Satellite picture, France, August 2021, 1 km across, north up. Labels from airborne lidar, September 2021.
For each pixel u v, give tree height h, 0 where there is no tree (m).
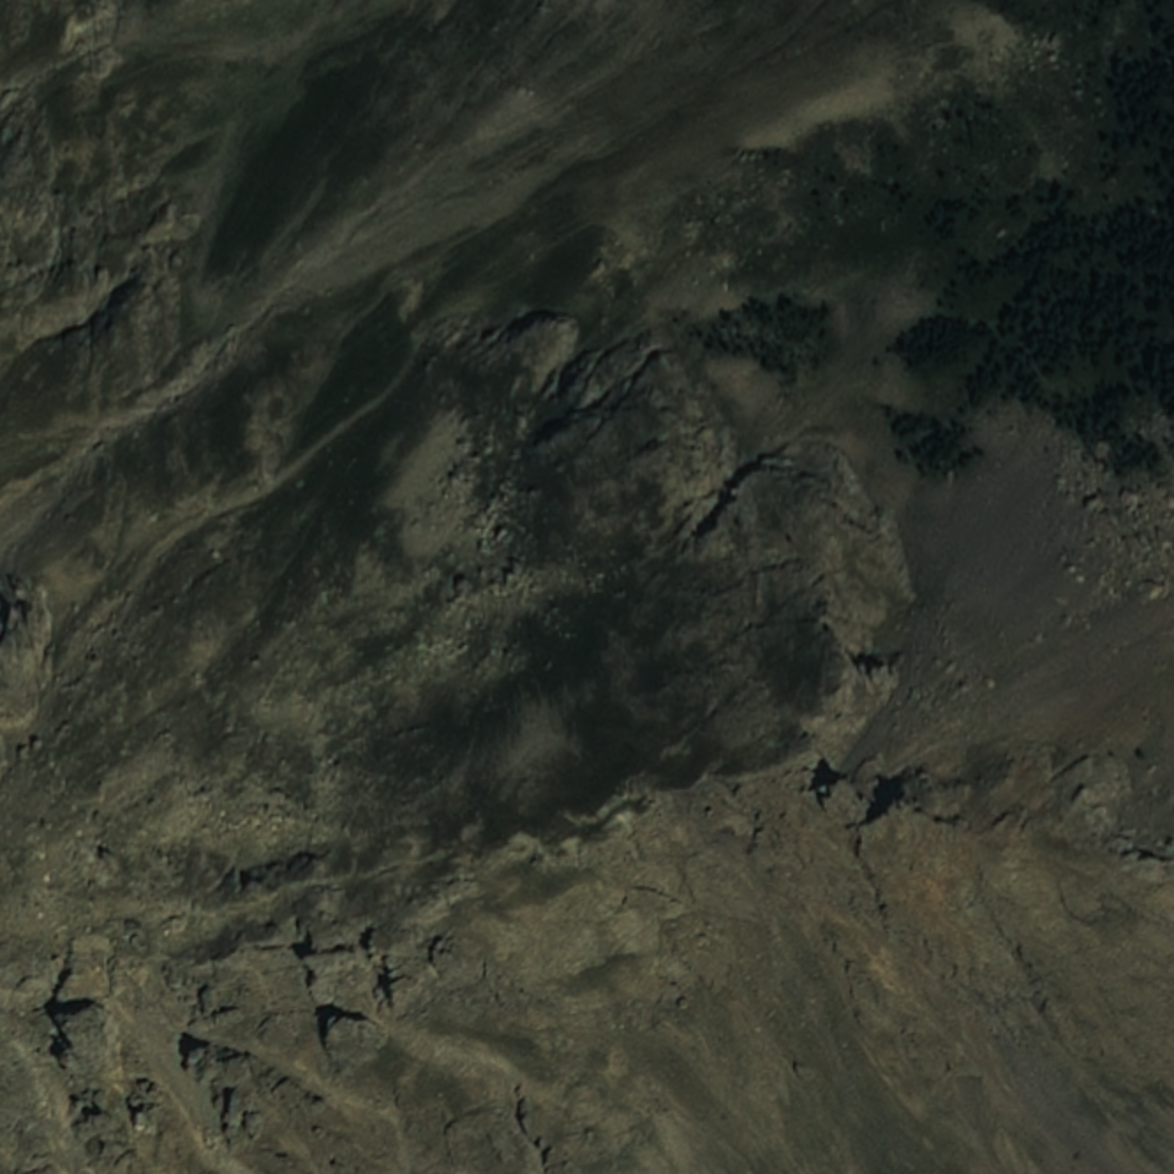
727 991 0
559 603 0
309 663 0
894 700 0
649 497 0
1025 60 0
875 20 0
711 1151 0
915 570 0
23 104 0
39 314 0
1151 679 0
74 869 0
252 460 0
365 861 0
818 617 0
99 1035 0
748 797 0
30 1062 0
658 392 0
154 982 0
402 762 0
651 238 0
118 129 0
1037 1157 0
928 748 0
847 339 0
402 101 0
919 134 0
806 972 0
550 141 0
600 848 0
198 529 0
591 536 0
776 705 0
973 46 0
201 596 0
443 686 0
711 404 0
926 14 0
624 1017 0
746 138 0
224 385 0
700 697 0
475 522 0
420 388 0
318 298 0
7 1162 0
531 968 0
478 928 0
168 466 0
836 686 0
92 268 0
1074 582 0
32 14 0
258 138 0
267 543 0
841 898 0
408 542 0
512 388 0
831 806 0
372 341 0
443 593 0
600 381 0
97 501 0
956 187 0
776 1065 0
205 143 0
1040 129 0
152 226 0
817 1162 0
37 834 0
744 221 0
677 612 0
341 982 0
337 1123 0
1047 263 13
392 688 0
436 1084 0
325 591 0
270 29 0
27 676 0
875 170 0
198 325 0
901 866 0
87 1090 0
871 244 0
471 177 0
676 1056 0
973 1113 0
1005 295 0
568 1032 0
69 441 0
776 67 0
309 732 0
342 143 0
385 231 0
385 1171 0
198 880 0
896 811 0
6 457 0
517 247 0
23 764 0
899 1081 0
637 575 0
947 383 0
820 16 0
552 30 0
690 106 0
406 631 0
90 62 0
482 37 0
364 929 0
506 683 0
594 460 0
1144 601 0
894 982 0
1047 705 0
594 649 0
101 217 0
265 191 0
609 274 0
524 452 0
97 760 0
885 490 0
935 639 0
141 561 0
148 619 0
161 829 0
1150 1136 0
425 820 0
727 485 0
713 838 0
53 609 0
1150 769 0
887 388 0
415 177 0
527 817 0
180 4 0
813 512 0
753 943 0
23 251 0
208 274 0
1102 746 0
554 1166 0
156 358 0
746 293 0
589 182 0
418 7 0
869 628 0
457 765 0
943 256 0
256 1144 0
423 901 0
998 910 0
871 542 0
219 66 0
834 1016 0
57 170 0
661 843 0
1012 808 0
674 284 0
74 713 0
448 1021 0
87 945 0
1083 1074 0
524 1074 0
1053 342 12
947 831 0
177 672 0
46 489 0
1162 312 18
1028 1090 0
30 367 0
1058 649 0
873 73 0
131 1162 0
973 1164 0
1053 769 0
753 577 0
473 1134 0
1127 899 0
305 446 0
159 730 0
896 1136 0
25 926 0
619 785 0
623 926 0
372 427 0
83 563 0
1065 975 0
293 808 0
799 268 0
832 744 0
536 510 0
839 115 0
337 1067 0
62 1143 0
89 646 0
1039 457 0
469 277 0
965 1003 0
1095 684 0
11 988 0
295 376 0
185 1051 0
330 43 0
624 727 0
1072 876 0
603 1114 0
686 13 0
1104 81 0
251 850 0
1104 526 0
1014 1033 0
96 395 0
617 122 0
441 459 0
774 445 0
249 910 0
